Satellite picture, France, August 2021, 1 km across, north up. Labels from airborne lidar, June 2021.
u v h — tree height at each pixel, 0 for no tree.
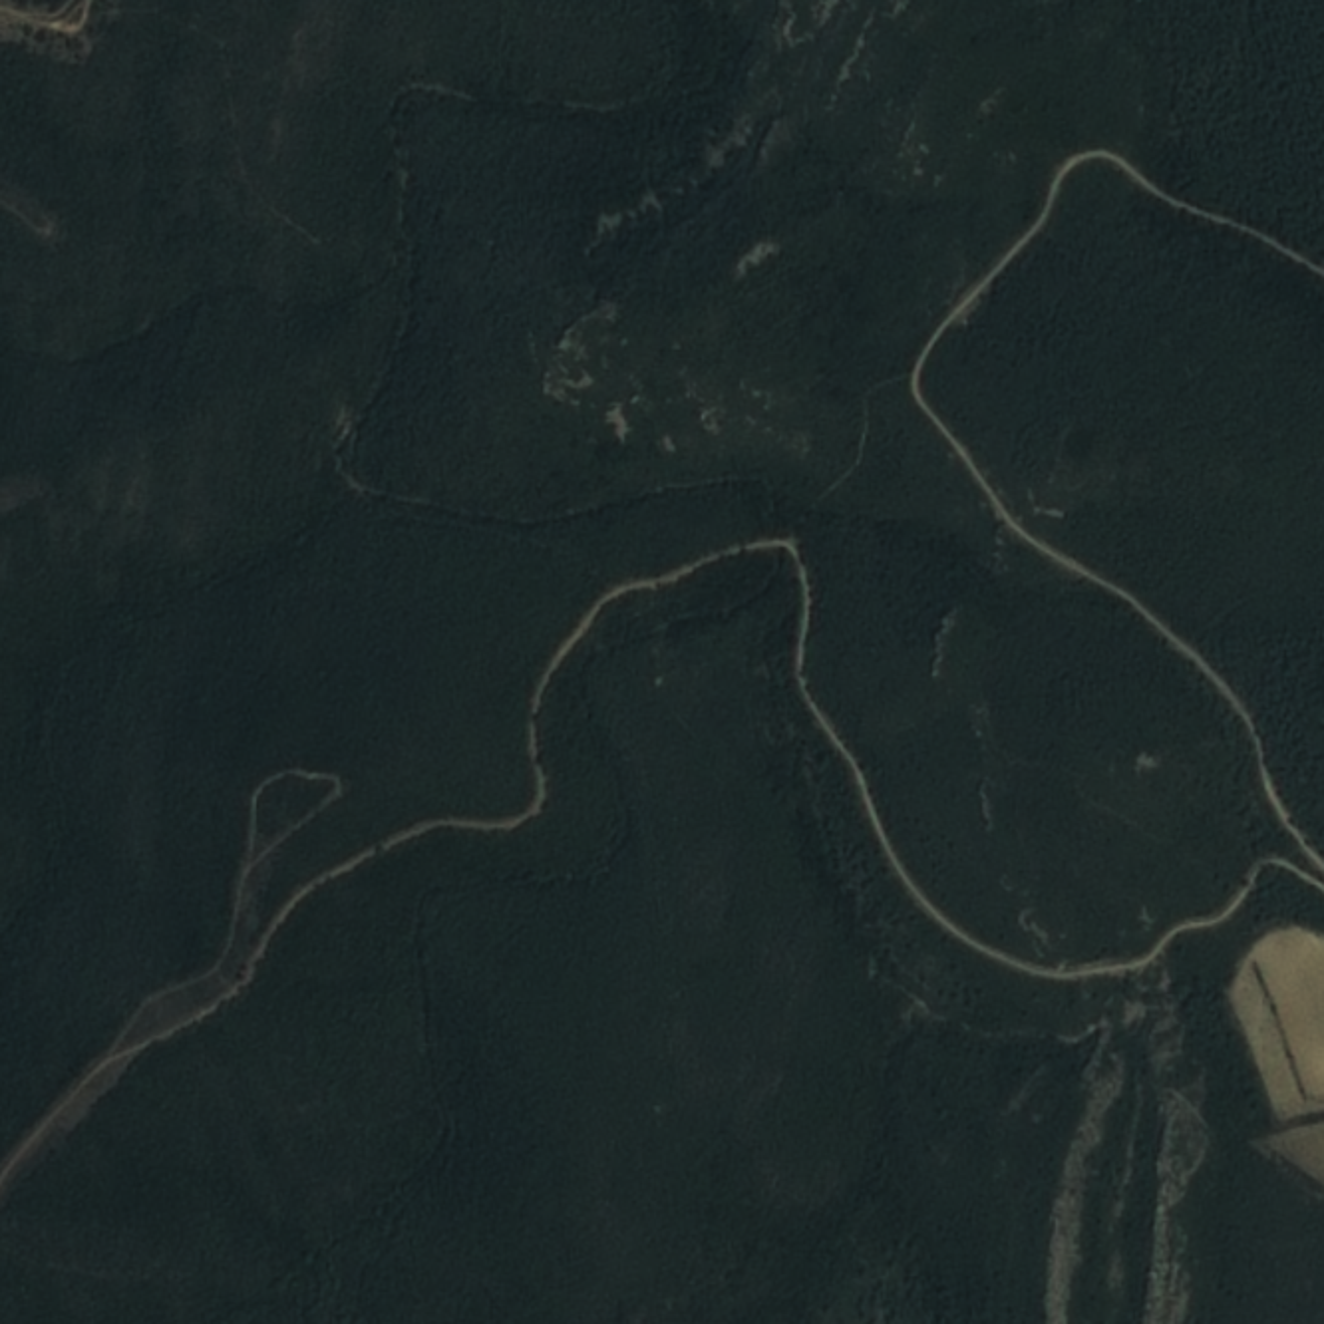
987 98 0
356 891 6
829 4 0
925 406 0
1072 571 0
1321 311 8
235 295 5
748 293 7
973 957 0
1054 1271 0
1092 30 0
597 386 0
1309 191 7
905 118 0
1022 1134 0
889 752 0
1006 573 0
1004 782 0
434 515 6
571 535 6
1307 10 7
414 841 6
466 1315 7
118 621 6
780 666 5
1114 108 0
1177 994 12
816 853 7
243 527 6
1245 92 7
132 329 7
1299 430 6
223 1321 7
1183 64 7
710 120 7
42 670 9
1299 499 6
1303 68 7
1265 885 10
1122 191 0
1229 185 7
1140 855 0
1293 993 0
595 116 8
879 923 8
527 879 7
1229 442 6
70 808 6
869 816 0
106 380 6
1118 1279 0
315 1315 7
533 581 5
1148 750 0
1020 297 6
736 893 6
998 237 0
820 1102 6
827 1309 8
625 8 7
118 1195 6
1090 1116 0
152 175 6
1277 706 8
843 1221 8
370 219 5
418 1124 7
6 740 7
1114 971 0
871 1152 6
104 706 5
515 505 6
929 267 0
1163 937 0
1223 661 7
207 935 5
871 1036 6
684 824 5
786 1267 5
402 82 6
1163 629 0
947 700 0
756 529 7
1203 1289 0
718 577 8
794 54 0
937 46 0
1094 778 0
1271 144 8
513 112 8
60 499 6
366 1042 6
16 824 5
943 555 6
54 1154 6
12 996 5
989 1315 7
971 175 0
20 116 6
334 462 7
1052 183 0
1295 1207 0
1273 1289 0
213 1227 6
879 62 0
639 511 6
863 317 6
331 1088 7
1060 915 0
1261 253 6
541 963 6
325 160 6
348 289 7
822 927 6
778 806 5
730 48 7
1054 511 0
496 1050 6
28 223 0
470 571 6
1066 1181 0
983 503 0
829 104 0
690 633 7
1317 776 6
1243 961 0
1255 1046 0
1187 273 7
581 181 7
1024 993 0
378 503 7
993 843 0
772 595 8
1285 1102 0
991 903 0
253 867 0
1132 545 5
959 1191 0
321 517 8
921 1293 7
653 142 7
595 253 6
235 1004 6
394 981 6
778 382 0
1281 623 5
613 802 6
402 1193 8
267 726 6
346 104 6
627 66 6
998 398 0
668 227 6
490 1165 5
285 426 6
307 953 5
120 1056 0
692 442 0
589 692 6
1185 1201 0
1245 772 10
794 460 0
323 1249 6
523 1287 5
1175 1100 0
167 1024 0
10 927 8
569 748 8
